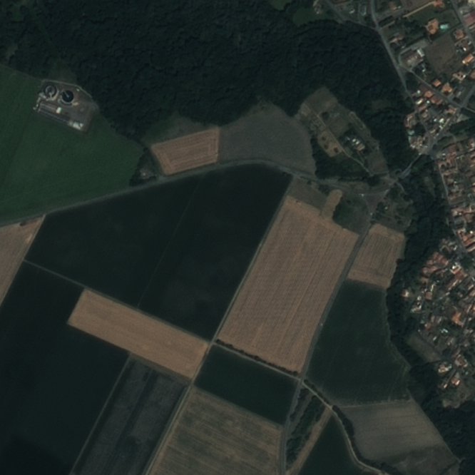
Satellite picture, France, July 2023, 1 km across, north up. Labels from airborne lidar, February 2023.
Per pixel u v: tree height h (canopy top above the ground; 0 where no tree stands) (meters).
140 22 19
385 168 0
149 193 0
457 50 0
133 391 0
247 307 0
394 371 0
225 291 0
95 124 0
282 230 0
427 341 0
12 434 0
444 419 23
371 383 0
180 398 0
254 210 0
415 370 10
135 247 0
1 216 0
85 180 0
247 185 0
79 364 0
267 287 0
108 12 22
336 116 0
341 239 0
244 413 0
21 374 0
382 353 0
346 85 24
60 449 0
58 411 0
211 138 0
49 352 0
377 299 0
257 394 0
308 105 0
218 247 0
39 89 0
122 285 0
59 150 0
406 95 0
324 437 0
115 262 0
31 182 0
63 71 0
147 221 0
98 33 30
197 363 0
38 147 0
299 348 0
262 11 25
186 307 0
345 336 0
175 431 0
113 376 0
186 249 0
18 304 0
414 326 6
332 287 0
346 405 0
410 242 9
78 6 21
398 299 15
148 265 0
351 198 0
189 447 0
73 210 0
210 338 0
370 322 0
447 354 12
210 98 24
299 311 0
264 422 0
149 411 0
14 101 0
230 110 20
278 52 22
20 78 0
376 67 29
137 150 0
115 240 0
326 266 0
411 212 0
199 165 0
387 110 8
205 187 0
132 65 33
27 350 0
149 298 0
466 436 21
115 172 0
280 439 0
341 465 0
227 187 0
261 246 0
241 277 0
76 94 0
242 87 12
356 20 0
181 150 0
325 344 0
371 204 0
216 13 31
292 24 24
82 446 0
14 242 0
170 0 27
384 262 0
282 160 0
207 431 0
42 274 0
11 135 0
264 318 0
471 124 14
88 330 0
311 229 0
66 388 0
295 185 0
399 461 0
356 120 0
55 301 0
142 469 0
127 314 0
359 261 0
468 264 12
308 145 0
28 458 0
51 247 0
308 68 27
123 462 0
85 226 0
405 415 0
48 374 0
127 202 0
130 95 30
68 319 0
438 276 5
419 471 0
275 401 0
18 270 0
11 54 0
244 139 0
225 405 0
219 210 0
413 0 0
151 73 31
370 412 0
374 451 0
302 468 0
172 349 0
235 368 0
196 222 0
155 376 0
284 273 0
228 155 0
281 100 7
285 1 0
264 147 0
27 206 0
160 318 0
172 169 0
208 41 17
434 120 5
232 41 18
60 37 27
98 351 0
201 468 0
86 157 0
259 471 0
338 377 0
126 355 0
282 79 22
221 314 0
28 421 0
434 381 13
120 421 0
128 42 25
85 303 0
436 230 19
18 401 0
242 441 0
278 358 0
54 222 0
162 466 0
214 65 27
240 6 22
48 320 0
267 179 0
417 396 0
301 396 6
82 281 0
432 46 0
